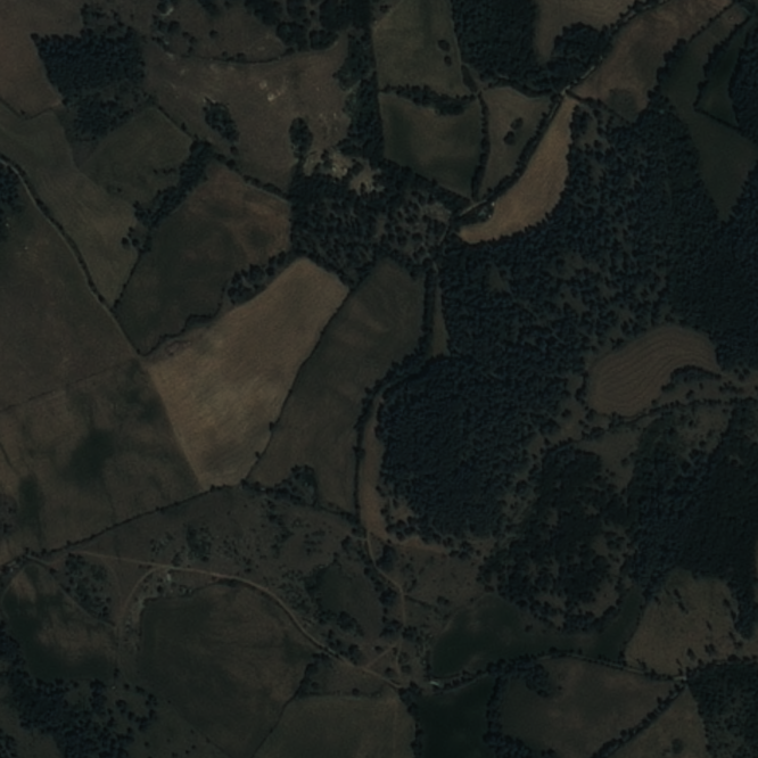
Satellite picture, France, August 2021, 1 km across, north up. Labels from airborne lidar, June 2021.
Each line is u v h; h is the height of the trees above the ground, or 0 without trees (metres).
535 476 7
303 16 10
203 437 0
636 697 0
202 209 0
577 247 11
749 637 17
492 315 15
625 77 0
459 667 0
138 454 0
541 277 12
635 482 8
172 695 0
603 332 10
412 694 8
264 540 0
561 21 0
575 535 13
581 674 0
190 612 0
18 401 0
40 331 0
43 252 0
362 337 0
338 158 0
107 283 0
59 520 0
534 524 11
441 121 0
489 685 0
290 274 0
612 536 9
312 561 0
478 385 19
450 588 0
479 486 18
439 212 0
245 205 0
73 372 0
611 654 0
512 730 0
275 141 0
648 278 12
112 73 14
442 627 0
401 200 11
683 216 12
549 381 10
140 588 0
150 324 0
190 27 0
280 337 0
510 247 13
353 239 16
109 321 0
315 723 0
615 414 6
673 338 0
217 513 0
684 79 0
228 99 0
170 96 0
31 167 0
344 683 0
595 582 11
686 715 0
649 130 12
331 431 0
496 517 13
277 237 0
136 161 0
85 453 0
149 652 0
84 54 17
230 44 0
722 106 0
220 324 0
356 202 8
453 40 0
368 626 0
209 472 0
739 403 10
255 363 0
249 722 0
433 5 0
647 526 20
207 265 0
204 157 9
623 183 13
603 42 13
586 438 8
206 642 0
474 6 10
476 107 0
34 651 0
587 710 0
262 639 0
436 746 0
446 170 0
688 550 12
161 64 0
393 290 0
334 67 0
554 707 0
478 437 15
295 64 0
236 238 0
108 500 0
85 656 0
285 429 0
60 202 0
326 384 0
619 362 0
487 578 9
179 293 0
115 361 0
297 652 0
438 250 9
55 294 0
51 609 0
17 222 0
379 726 0
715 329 9
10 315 0
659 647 0
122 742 10
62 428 0
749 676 7
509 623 0
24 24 0
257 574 0
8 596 0
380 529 0
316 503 7
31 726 9
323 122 0
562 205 9
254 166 0
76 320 0
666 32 0
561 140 0
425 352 13
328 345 0
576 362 12
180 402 0
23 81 0
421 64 0
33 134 0
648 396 0
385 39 0
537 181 0
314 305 0
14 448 0
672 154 9
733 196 0
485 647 0
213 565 0
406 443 15
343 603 0
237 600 0
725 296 11
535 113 0
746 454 11
